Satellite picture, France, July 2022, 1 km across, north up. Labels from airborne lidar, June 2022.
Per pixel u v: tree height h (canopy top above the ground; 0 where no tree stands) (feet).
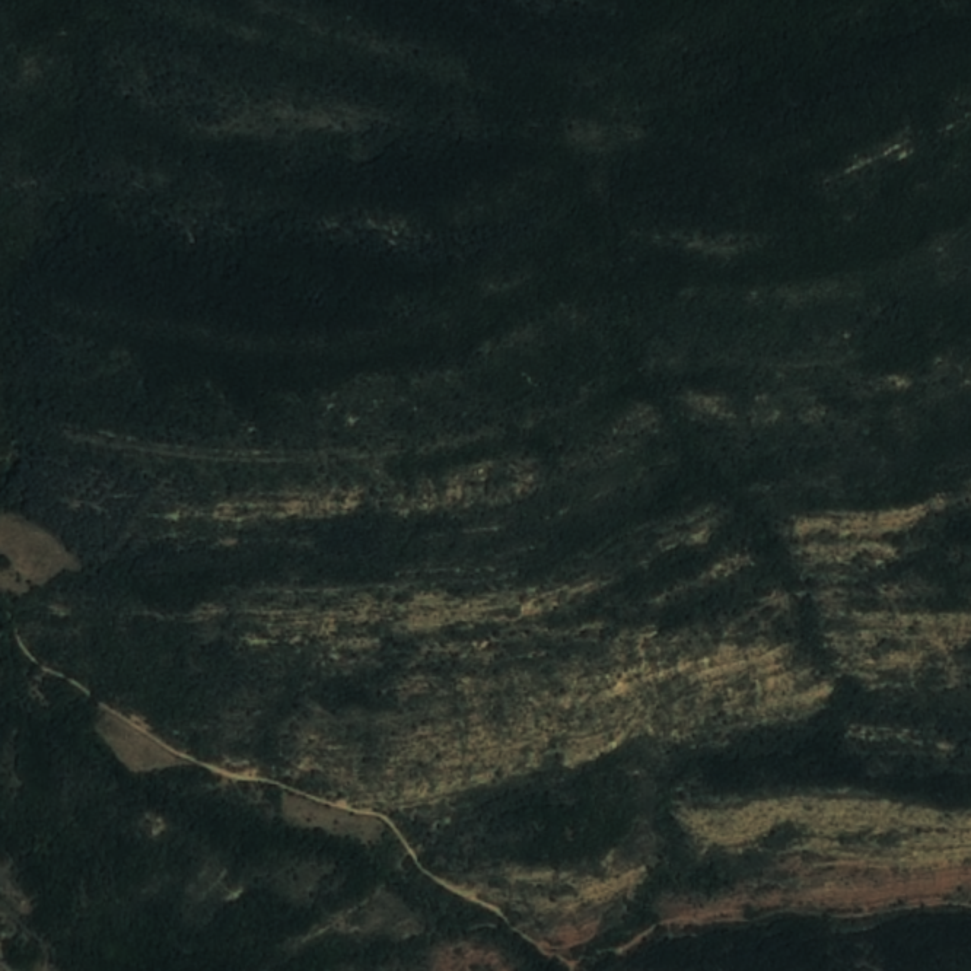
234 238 22
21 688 26
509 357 19
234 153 28
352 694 19
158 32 19
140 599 19
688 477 19
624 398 24
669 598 22
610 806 22
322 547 22
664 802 24
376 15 24
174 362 30
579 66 21
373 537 23
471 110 20
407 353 29
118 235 29
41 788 36
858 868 0
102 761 27
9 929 23
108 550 43
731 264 22
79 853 23
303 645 20
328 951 22
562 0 22
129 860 24
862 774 21
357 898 28
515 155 23
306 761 0
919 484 24
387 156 29
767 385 18
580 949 27
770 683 0
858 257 22
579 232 29
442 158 22
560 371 34
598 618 25
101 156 22
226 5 24
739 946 24
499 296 23
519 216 27
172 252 23
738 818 0
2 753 33
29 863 41
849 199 35
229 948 19
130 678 32
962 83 30
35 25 35
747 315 20
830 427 23
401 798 0
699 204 26
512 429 23
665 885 19
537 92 28
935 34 40
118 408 18
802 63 53
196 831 42
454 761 0
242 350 23
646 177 31
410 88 31
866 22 33
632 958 18
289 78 18
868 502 19
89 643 23
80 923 33
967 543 25
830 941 20
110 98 28
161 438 23
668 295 25
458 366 27
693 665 0
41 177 27
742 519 24
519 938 30
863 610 18
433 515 23
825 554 0
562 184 28
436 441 20
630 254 22
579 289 25
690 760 30
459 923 26
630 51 26
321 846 37
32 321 27
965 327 30
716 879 24
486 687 0
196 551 30
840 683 19
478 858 18
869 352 20
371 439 22
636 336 22
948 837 0
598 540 20
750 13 28
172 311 19
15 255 37
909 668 0
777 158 19
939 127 27
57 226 19
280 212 18
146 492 37
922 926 20
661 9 49
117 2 31
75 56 30
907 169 21
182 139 36
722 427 24
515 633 28
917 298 19
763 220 20
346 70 25
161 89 22
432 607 0
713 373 19
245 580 21
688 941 23
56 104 27
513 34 24
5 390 25
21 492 55
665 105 20
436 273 21
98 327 24
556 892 21
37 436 20
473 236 21
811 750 28
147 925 27
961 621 0
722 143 20
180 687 18
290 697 19
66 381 21
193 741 18
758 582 18
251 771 0
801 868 0
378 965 20
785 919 28
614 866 0
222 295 26
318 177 38
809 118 28
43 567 0
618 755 20
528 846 20
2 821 27
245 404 31
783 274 23
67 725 42
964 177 27
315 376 26
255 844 34
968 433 19
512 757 0
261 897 25
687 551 19
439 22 28
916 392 24
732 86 33
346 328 18
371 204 23
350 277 25
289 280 33
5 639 30
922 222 22
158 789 33
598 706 0
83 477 38
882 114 31
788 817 0
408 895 25
